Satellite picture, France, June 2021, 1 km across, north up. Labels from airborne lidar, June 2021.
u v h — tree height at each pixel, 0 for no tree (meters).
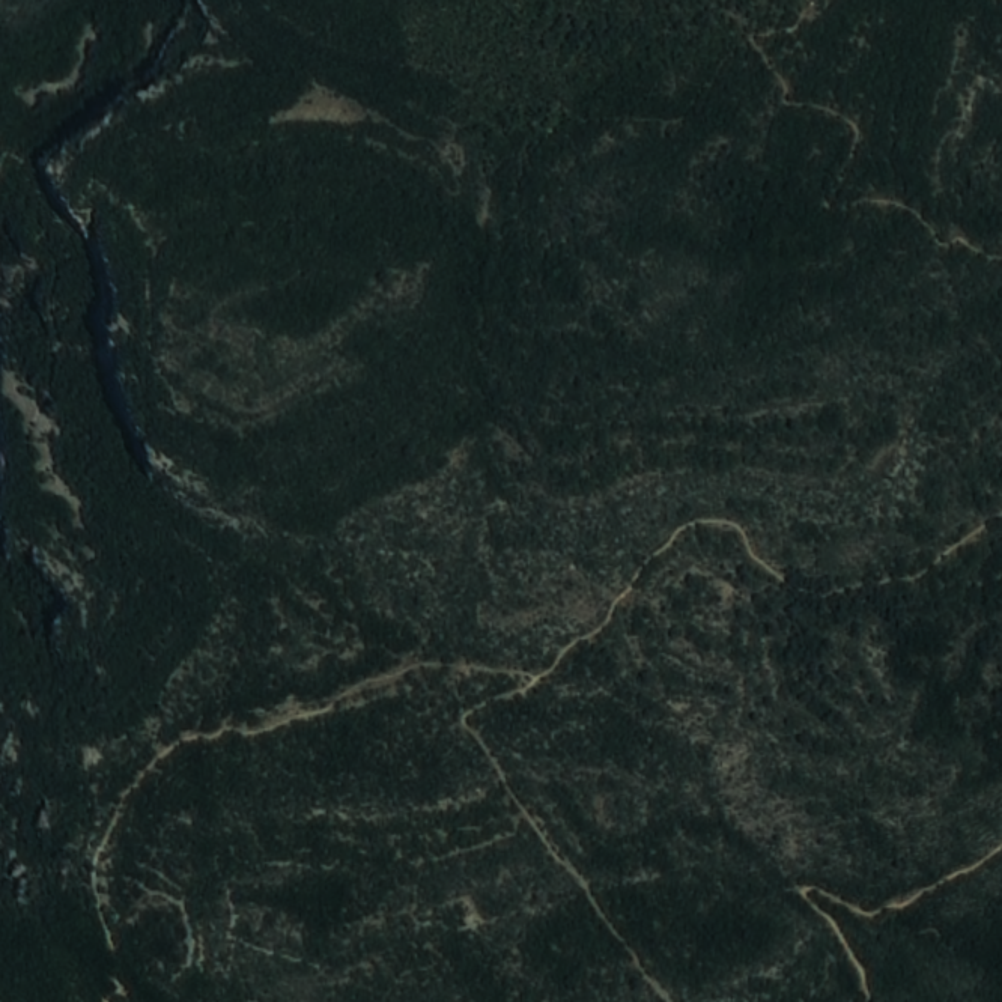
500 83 6
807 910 8
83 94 14
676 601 8
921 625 11
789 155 7
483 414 6
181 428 6
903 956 7
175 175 8
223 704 6
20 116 12
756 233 12
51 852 7
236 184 11
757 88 6
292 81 8
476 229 7
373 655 8
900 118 8
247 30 6
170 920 7
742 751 0
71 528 8
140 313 7
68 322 8
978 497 12
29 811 7
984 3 6
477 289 12
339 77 7
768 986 7
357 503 8
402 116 5
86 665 9
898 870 16
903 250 5
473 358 6
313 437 6
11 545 7
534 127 8
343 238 7
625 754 6
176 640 6
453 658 8
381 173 8
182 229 10
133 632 8
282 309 9
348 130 6
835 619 11
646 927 7
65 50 9
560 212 5
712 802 6
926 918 6
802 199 7
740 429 9
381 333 8
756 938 9
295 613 6
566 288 9
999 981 9
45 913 10
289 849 6
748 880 5
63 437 7
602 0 8
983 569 6
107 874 6
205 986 7
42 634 12
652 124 7
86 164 7
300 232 7
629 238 7
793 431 12
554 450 13
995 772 7
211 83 7
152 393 6
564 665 5
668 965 7
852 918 7
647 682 15
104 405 7
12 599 7
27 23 10
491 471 6
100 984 6
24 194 7
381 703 8
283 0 7
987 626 6
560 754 7
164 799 7
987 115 8
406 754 6
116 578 7
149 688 6
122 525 6
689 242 9
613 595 0
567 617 0
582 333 7
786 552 8
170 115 6
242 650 7
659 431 7
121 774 6
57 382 7
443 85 9
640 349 6
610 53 6
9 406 7
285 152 11
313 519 8
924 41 7
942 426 7
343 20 7
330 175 9
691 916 8
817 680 10
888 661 8
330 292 8
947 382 6
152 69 7
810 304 6
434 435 6
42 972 6
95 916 7
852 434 6
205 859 6
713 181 8
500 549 7
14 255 6
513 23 9
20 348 10
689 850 6
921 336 6
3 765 9
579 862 7
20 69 11
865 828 9
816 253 7
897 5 7
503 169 6
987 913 8
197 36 9
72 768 6
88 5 10
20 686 6
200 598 7
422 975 6
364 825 6
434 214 7
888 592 12
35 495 10
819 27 5
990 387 8
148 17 6
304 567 6
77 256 8
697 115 7
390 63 7
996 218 8
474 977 7
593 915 6
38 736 6
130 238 7
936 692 8
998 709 10
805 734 8
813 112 7
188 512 6
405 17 6
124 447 7
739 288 6
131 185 7
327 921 7
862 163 7
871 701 11
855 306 8
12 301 9
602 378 13
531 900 6
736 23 8
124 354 8
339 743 7
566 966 7
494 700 7
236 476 7
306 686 6
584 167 7
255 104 9
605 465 8
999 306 8
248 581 6
